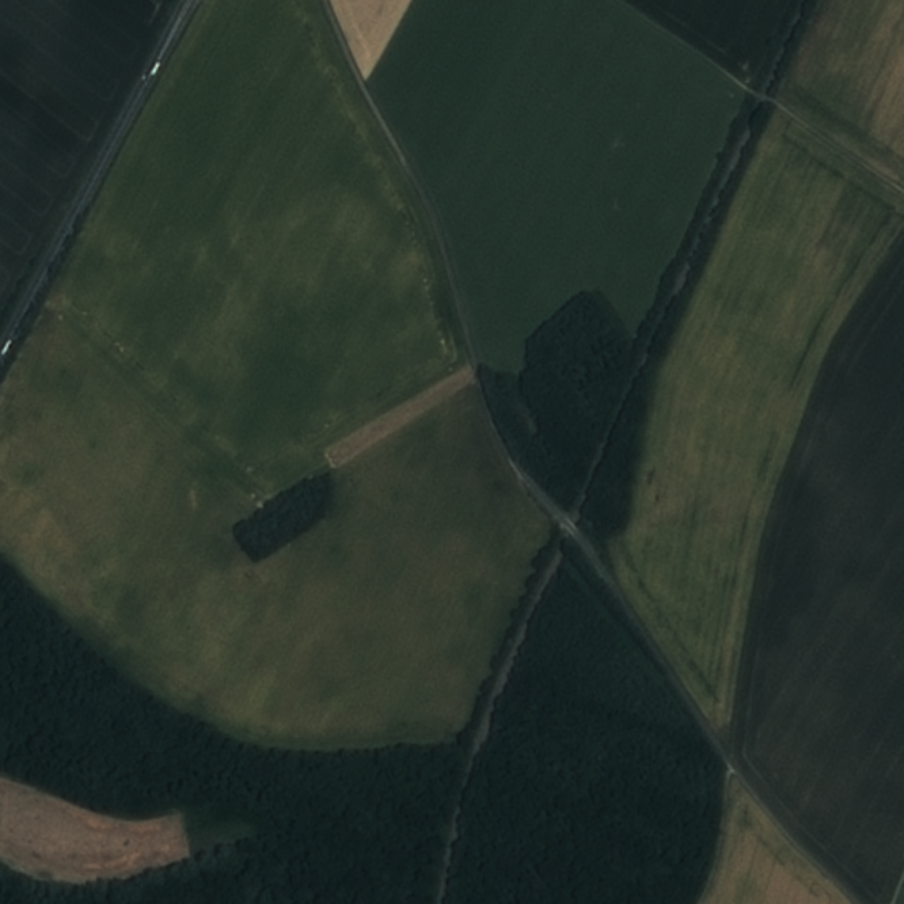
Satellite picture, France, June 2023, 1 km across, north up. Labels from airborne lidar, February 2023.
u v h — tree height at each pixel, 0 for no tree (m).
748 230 0
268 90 0
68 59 0
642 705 21
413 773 19
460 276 0
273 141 0
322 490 11
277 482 0
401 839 14
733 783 0
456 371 0
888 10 0
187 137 0
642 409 18
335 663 0
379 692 0
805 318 0
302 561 0
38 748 21
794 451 0
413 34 0
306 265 0
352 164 0
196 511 0
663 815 19
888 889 0
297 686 0
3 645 19
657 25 0
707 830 19
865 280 0
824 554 0
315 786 18
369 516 0
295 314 0
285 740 0
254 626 0
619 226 0
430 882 20
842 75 0
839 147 0
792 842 0
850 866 0
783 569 0
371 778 16
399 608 0
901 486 0
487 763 23
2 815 0
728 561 0
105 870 0
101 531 0
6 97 0
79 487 0
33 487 0
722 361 0
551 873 19
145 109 0
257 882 14
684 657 0
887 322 0
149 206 0
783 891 0
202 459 0
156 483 0
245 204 0
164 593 0
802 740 0
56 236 0
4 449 0
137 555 0
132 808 15
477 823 18
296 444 0
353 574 0
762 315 0
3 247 0
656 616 0
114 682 11
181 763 20
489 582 0
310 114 0
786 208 0
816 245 0
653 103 0
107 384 0
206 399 0
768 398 0
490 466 0
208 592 0
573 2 0
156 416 0
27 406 0
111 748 19
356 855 19
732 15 0
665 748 20
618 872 23
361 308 0
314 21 0
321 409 0
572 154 0
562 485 17
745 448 0
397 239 0
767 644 0
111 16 0
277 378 0
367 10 0
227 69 0
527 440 18
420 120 0
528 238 0
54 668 17
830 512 0
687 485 0
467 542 0
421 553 0
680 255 6
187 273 0
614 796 20
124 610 0
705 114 0
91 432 0
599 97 0
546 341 16
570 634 15
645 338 14
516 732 21
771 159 0
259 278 0
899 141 0
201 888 19
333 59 0
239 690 0
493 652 0
